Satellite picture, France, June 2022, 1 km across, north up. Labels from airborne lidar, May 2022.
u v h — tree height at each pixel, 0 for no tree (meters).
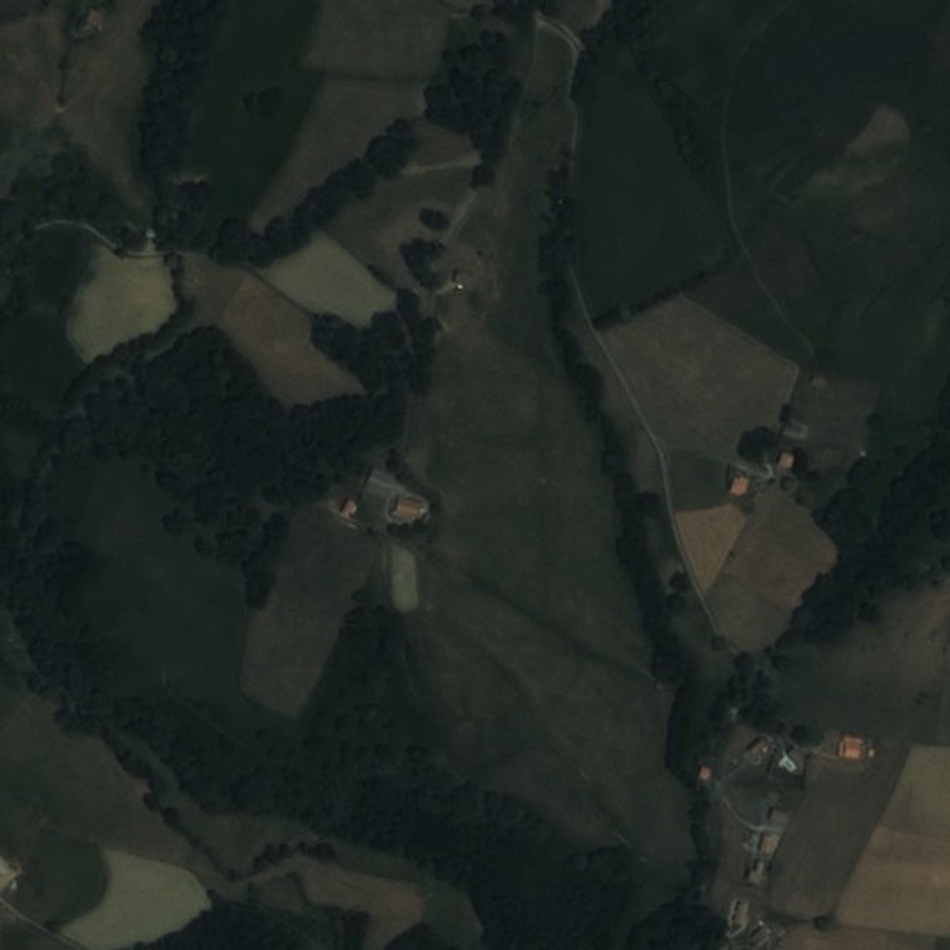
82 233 0
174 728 9
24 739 0
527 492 0
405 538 13
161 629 0
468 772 0
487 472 0
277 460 13
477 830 11
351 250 0
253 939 14
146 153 14
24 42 0
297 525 0
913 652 0
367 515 0
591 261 0
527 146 0
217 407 12
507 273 0
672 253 0
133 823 0
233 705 0
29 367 0
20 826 0
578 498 0
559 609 0
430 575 0
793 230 0
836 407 0
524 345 0
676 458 0
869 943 0
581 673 0
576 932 13
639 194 0
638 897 0
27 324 0
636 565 14
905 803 0
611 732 0
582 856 10
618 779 0
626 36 21
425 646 0
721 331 0
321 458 19
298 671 0
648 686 0
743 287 0
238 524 19
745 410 0
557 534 0
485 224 0
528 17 13
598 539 0
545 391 0
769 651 9
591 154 0
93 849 0
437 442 0
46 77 0
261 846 0
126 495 0
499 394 0
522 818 13
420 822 12
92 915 0
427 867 14
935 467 16
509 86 19
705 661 0
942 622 0
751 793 0
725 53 0
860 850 0
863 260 0
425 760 16
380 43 0
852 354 0
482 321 0
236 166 0
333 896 0
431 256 21
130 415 26
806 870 0
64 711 13
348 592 0
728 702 7
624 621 0
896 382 0
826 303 0
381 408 14
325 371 0
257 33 0
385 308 0
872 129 0
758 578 0
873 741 0
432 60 0
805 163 0
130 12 0
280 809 19
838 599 17
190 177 0
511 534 0
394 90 0
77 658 13
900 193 0
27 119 0
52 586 12
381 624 18
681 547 0
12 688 0
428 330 19
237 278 0
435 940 9
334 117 0
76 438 22
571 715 0
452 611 0
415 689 0
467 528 0
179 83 24
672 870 0
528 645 0
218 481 20
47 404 0
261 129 0
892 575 14
